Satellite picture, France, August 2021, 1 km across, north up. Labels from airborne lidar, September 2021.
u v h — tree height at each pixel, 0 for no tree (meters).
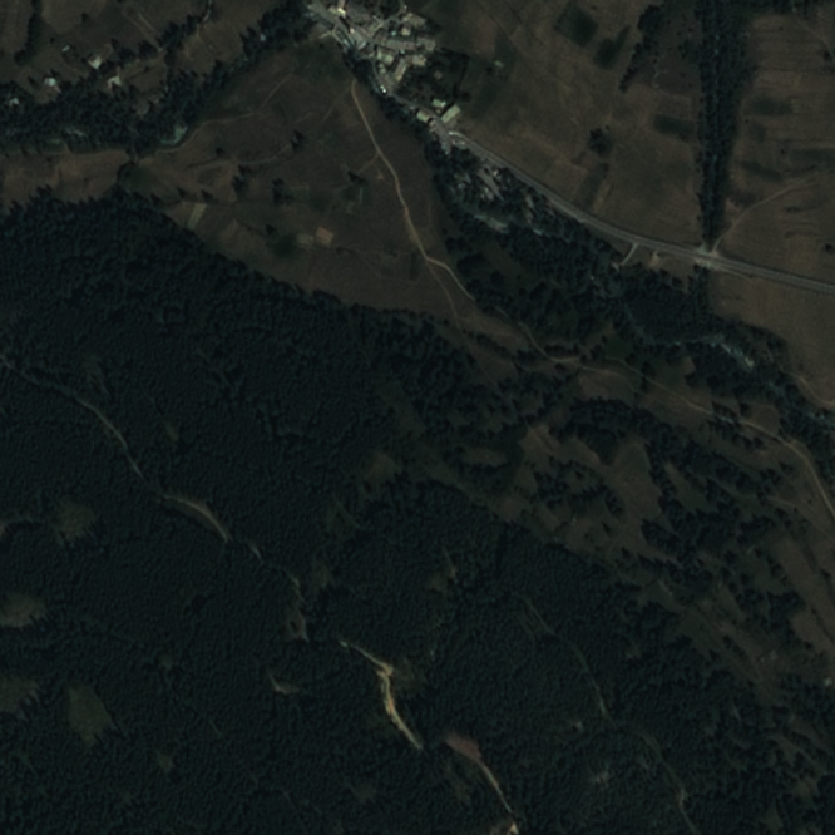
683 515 25
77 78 0
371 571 14
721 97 14
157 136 16
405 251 0
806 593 0
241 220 0
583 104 0
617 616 21
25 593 19
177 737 22
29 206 0
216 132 0
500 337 0
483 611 29
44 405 20
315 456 25
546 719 12
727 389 27
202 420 33
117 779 24
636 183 0
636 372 0
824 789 16
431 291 0
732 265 0
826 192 0
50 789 20
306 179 0
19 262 27
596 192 0
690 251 0
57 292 24
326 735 17
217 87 17
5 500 20
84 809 19
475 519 20
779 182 0
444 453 7
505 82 0
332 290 0
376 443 23
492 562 28
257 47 13
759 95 0
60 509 27
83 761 27
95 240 28
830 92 0
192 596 25
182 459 25
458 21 0
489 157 0
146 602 25
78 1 0
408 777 28
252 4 0
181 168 0
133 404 24
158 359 28
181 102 20
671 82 0
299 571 24
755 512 0
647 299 17
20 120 11
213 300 24
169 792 22
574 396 0
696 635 0
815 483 0
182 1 0
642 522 0
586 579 19
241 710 27
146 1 0
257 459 23
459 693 10
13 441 19
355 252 0
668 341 18
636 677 30
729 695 17
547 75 0
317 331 22
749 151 0
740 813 26
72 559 24
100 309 30
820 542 0
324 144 0
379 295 0
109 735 0
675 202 0
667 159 0
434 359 9
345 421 25
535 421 16
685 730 25
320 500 23
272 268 0
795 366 0
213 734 18
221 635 26
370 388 27
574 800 11
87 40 0
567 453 0
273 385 22
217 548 28
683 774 17
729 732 23
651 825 11
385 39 0
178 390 29
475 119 0
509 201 21
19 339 23
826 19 0
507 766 23
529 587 17
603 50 0
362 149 0
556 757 17
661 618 23
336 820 19
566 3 0
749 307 0
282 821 14
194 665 27
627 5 0
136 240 14
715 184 6
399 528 25
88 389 23
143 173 0
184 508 0
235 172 0
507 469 11
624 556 7
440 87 7
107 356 21
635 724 21
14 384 24
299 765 15
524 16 0
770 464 0
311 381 24
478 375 0
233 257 0
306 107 0
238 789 20
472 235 19
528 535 22
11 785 17
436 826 21
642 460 0
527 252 24
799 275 0
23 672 21
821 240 0
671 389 0
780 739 0
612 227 0
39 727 24
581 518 6
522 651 10
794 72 0
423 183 0
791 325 0
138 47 0
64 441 21
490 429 0
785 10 17
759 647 0
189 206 0
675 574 15
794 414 11
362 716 20
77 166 0
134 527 22
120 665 22
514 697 14
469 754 0
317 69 0
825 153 0
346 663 11
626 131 0
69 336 28
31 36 12
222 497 20
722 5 11
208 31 0
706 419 0
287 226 0
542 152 0
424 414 26
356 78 8
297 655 26
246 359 20
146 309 28
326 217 0
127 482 25
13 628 0
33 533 28
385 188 0
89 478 24
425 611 16
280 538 23
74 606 23
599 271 23
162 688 26
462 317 0
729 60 10
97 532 0
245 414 30
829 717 22
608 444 21
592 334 16
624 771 11
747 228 0
